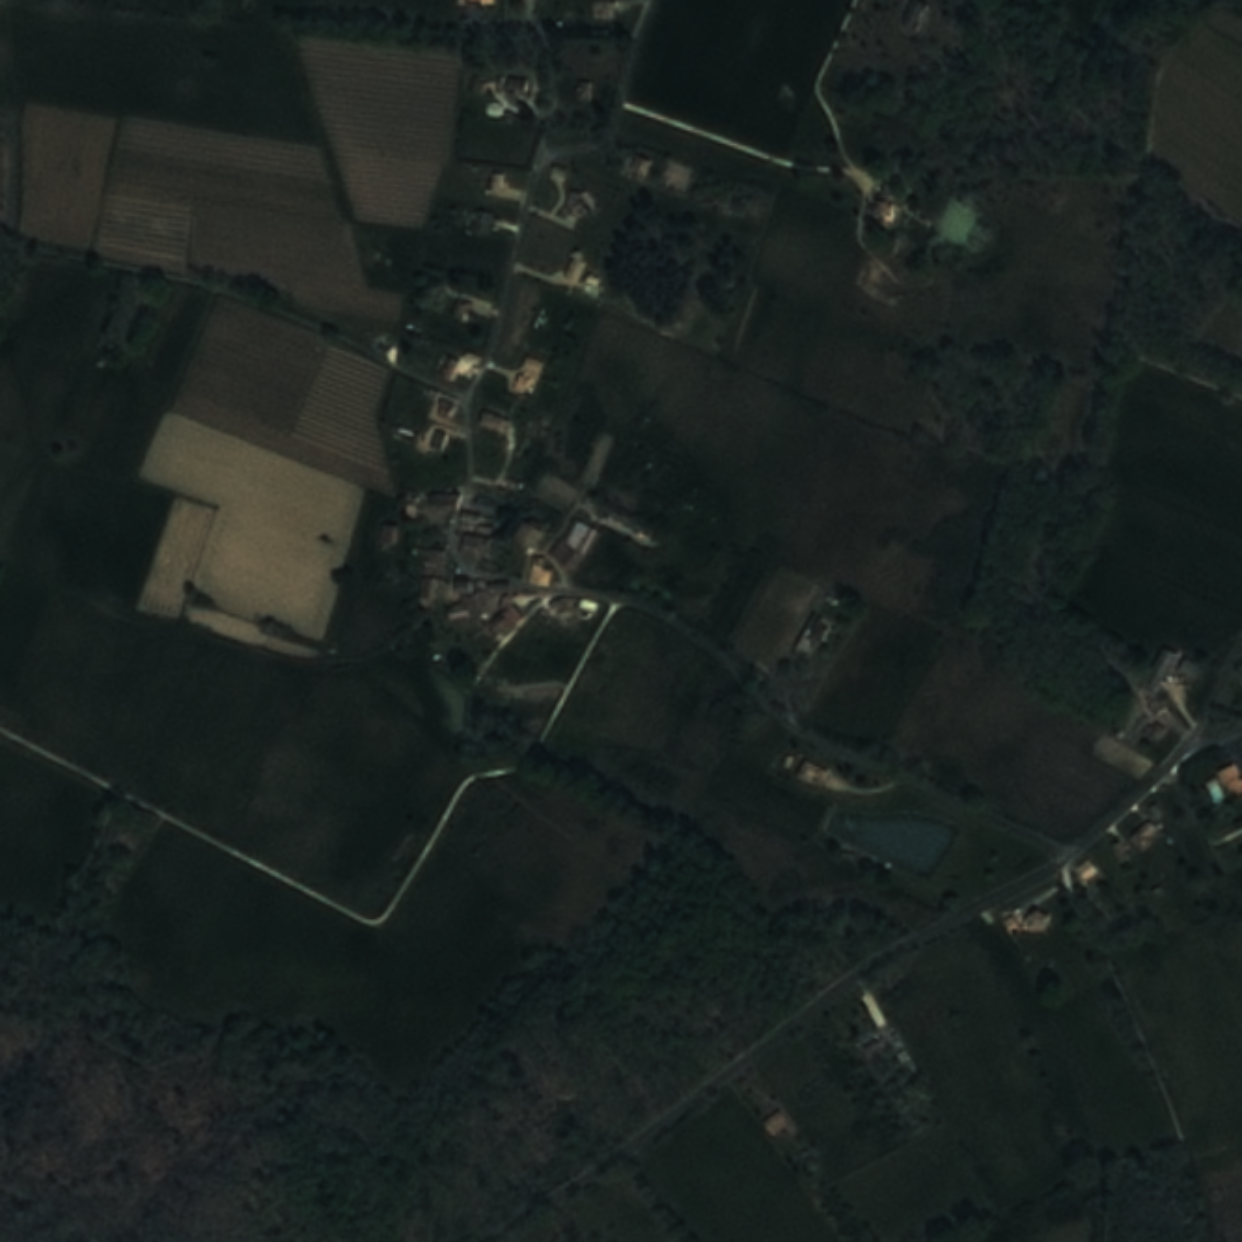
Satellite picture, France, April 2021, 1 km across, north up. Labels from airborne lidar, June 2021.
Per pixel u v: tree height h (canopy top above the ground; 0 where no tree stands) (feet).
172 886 0
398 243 0
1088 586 0
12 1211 45
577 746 0
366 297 0
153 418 0
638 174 23
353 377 0
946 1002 0
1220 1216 0
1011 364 74
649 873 28
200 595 20
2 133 27
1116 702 85
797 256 0
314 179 0
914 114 54
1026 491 72
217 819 0
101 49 0
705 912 71
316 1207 40
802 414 0
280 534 0
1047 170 67
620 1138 42
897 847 0
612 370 0
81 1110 30
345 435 0
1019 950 0
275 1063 32
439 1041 0
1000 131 30
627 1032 49
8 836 0
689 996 45
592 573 0
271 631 20
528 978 19
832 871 0
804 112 0
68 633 0
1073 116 54
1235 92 0
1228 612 0
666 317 34
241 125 0
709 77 0
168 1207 31
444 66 0
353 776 0
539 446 0
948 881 0
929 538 0
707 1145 0
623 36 57
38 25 0
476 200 0
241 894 0
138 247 0
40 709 0
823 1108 0
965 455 19
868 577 0
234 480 0
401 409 0
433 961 0
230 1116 25
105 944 65
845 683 0
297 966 0
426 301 56
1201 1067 0
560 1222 20
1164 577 0
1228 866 37
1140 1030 49
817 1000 55
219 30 0
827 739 49
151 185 0
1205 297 73
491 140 0
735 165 0
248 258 0
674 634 0
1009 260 0
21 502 0
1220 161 0
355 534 0
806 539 0
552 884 0
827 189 0
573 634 0
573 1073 52
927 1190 0
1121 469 0
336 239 0
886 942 43
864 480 0
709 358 0
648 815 38
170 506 0
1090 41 23
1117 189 20
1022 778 0
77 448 31
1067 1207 0
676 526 0
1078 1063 0
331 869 0
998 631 48
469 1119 61
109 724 0
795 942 57
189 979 0
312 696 0
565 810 0
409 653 0
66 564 0
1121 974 26
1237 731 0
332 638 0
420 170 0
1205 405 0
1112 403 61
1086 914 51
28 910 0
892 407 0
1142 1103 0
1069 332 0
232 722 0
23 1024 54
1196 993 0
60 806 0
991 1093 0
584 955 54
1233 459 0
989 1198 25
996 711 0
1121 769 0
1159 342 75
